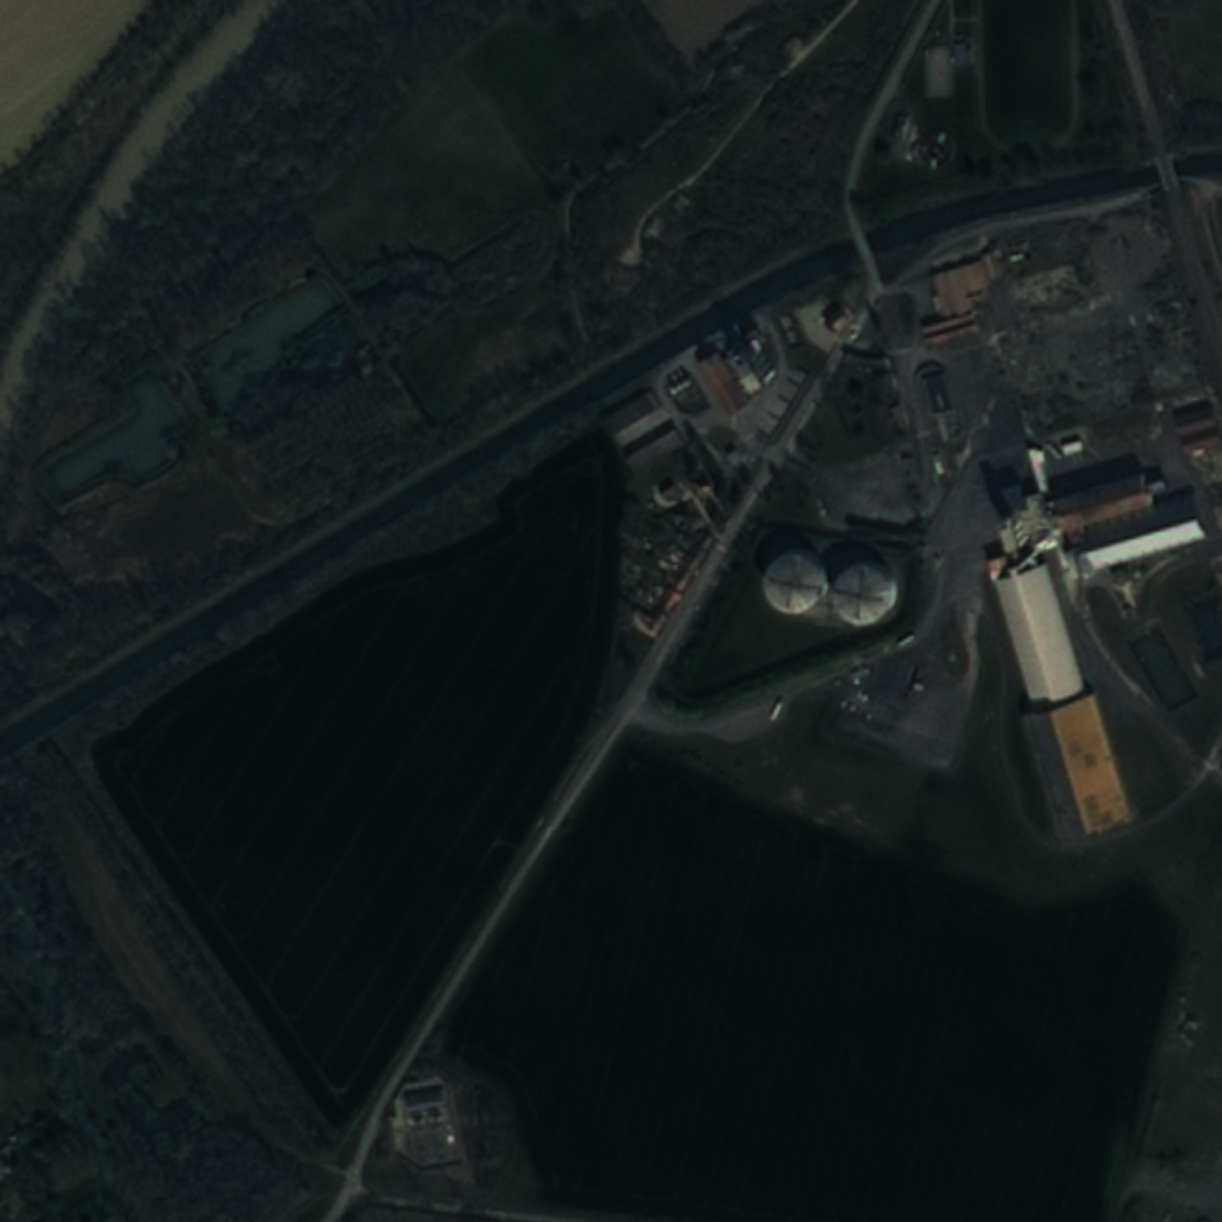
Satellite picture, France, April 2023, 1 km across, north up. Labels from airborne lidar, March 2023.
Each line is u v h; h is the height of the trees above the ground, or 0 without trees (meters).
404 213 0
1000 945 0
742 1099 0
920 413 0
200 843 0
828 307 0
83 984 17
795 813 0
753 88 0
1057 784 0
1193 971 0
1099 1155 0
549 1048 0
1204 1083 0
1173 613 0
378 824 0
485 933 0
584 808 0
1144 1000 0
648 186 0
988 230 0
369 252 0
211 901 0
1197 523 0
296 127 23
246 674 0
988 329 0
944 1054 0
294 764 0
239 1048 15
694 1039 0
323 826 0
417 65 22
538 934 0
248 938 0
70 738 0
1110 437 0
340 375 10
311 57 25
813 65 0
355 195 0
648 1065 0
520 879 0
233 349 0
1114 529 0
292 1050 0
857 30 0
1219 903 0
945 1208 0
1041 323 0
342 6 27
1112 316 0
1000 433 0
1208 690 0
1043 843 0
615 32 0
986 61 0
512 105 0
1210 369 0
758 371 0
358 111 10
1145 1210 0
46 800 11
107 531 0
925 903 0
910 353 0
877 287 0
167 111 0
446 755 0
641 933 0
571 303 14
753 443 0
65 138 10
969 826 0
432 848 0
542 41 0
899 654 0
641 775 0
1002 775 0
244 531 0
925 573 0
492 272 7
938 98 0
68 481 0
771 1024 0
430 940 0
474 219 0
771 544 0
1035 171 20
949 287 0
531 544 0
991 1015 0
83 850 0
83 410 0
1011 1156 0
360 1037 0
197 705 0
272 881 0
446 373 0
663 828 0
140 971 0
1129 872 0
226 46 0
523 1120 0
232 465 0
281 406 8
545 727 0
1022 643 0
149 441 0
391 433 6
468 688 0
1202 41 0
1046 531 0
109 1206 11
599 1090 0
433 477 0
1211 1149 0
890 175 0
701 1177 0
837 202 17
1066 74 0
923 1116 0
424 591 0
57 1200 12
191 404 0
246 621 24
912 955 0
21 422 19
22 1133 11
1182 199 0
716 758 0
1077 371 0
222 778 0
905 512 0
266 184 19
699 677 0
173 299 22
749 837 0
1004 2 0
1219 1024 0
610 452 0
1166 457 0
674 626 0
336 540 0
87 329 9
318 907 0
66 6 0
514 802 0
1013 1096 0
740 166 0
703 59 10
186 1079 19
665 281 15
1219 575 0
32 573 15
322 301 0
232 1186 16
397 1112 0
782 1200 0
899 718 0
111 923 0
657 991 0
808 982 0
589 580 0
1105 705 0
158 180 17
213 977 15
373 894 0
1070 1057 0
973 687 0
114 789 0
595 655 0
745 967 0
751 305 0
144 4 0
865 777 0
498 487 16
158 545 0
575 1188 0
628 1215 0
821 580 0
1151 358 0
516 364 0
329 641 0
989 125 0
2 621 14
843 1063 0
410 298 16
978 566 0
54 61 0
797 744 0
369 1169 0
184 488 0
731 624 0
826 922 0
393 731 0
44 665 21
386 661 0
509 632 0
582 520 0
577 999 0
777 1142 0
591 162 0
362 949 0
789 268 0
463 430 14
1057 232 0
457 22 21
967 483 0
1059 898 0
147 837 0
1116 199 0
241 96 25
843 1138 0
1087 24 0
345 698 0
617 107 0
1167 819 0
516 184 0
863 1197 0
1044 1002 0
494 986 0
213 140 10
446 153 0
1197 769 0
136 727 0
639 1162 0
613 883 0
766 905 0
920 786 0
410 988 0
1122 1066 0
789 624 0
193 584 22
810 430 0
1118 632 0
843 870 0
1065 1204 0
